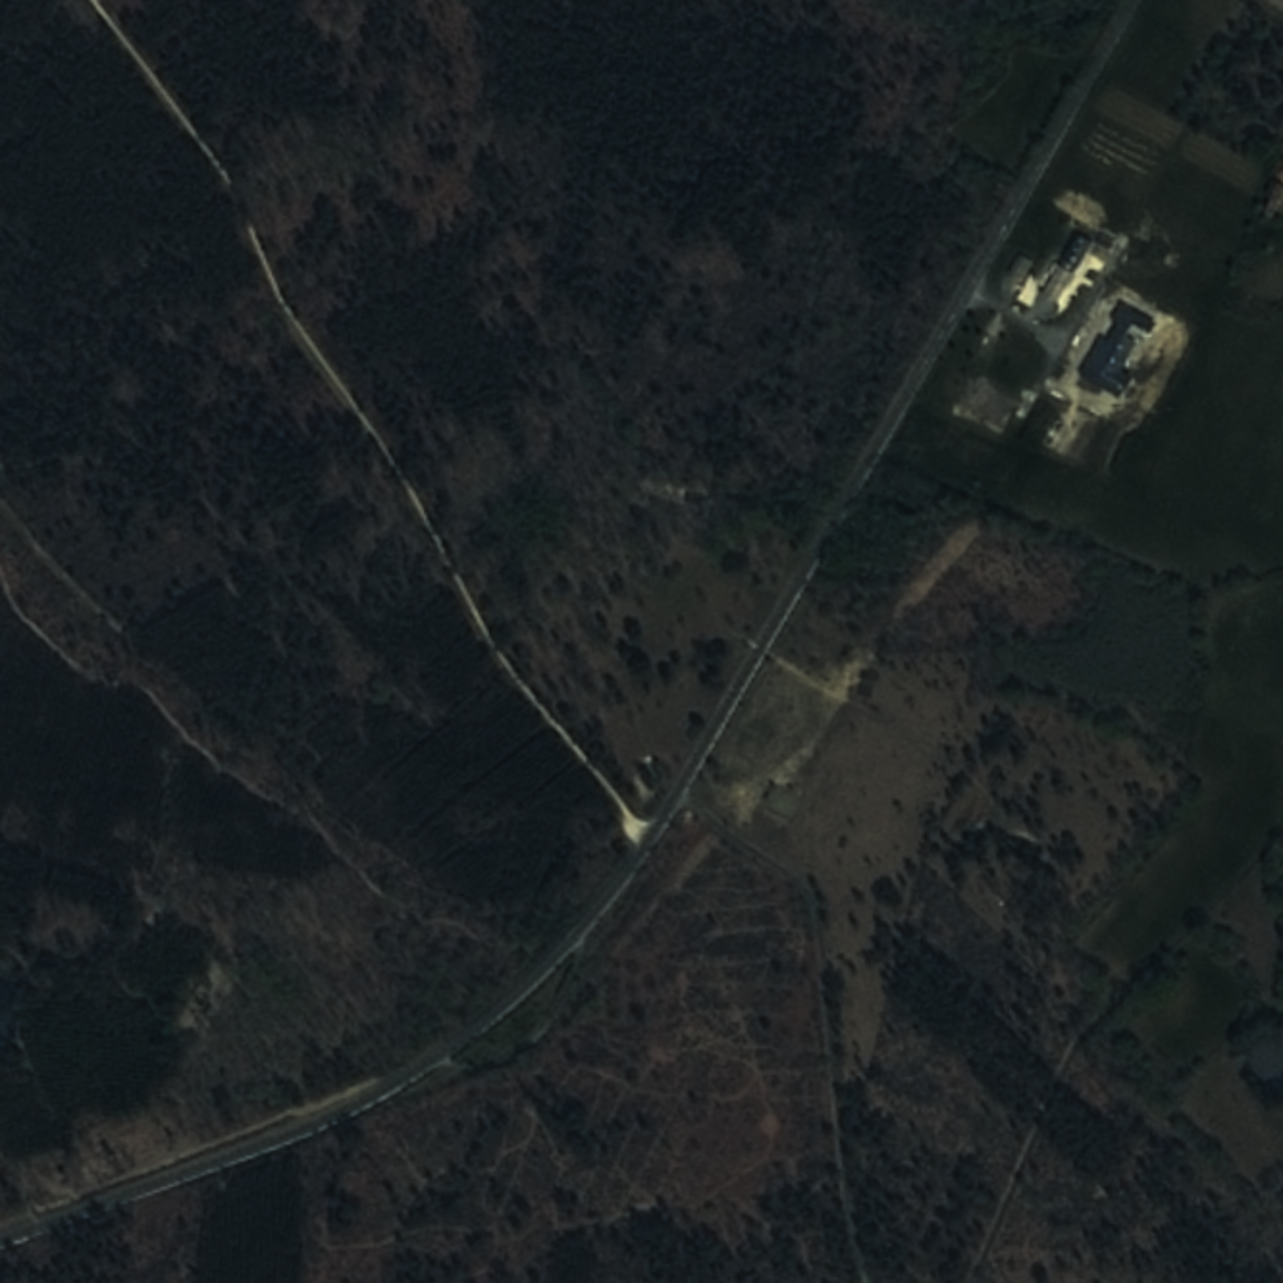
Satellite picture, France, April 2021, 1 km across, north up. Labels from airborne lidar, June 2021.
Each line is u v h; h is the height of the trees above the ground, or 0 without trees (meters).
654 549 12
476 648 17
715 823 0
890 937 11
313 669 6
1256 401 0
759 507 21
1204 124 14
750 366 6
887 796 0
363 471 9
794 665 0
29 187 14
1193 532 0
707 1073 7
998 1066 14
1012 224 0
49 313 15
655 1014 8
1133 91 0
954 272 10
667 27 12
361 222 8
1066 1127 20
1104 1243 11
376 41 14
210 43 12
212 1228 9
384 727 10
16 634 7
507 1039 0
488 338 15
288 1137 0
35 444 12
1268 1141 0
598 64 13
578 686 11
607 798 9
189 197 15
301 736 17
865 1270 8
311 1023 13
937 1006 17
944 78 11
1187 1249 15
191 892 14
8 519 0
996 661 14
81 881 15
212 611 13
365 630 14
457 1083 9
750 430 11
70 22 16
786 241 7
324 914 8
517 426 16
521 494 12
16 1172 11
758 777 0
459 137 10
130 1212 6
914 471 16
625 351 13
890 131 8
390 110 15
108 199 15
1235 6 0
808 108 13
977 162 11
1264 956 0
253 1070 14
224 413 12
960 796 15
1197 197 0
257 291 12
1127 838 10
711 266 7
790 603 0
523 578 14
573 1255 8
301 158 18
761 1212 7
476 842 6
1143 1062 16
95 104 14
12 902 15
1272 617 0
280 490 14
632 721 9
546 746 12
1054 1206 8
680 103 13
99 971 14
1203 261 0
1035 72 0
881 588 11
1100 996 19
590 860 10
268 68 15
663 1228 17
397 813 7
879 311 6
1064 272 0
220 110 16
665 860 6
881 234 13
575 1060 16
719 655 15
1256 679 0
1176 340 0
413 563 16
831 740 0
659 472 19
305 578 11
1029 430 0
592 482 14
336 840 9
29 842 8
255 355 12
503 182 10
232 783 7
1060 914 13
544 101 8
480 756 10
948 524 12
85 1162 13
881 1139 11
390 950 13
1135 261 0
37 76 13
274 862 8
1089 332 0
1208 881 0
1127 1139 19
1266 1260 14
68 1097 11
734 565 9
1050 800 0
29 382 14
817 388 7
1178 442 0
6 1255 6
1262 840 0
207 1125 8
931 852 7
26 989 20
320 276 8
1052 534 13
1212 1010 0
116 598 13
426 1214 13
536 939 15
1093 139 0
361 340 13
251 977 18
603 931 8
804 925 8
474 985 12
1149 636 9
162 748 6
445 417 11
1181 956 8
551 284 12
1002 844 10
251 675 12
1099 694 6
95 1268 8
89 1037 11
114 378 7
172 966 12
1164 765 16
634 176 14
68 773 9
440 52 8
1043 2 16
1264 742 0
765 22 13
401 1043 16
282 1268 9
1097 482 0
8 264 14
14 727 8
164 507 13
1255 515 0
